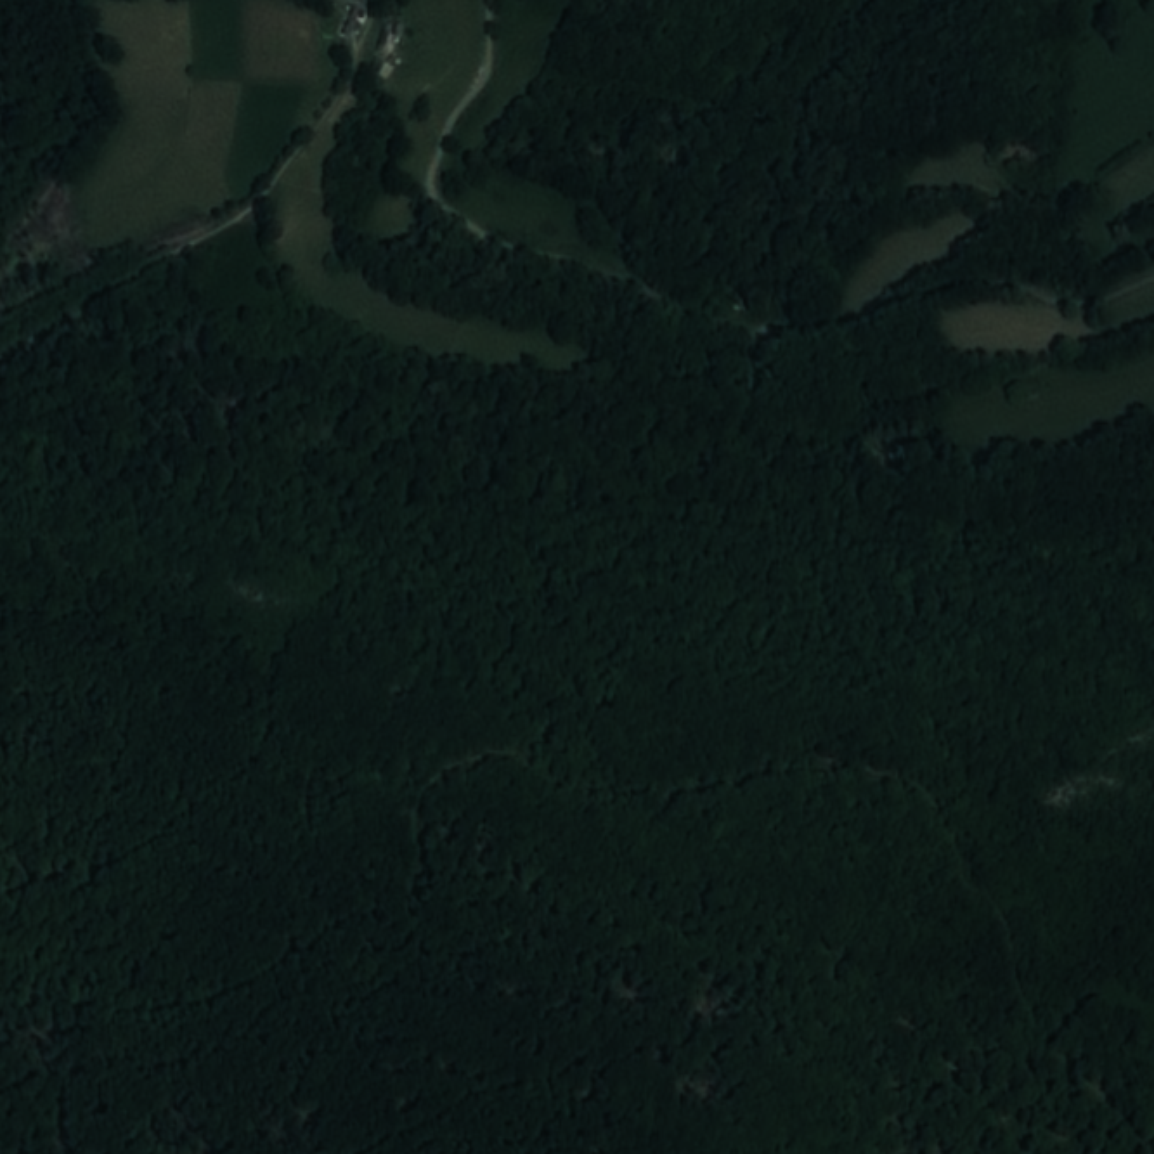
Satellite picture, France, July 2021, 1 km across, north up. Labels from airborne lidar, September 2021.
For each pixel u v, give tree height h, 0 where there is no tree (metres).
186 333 21
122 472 10
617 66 25
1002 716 22
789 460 22
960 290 24
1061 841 8
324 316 18
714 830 23
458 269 18
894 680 21
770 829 17
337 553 20
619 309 15
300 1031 24
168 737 26
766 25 36
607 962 25
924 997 23
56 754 25
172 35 0
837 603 19
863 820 18
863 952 29
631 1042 25
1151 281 0
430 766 14
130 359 11
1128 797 7
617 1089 22
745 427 20
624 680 21
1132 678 19
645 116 25
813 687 19
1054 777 6
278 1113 23
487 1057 24
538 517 20
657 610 14
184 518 14
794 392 36
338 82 14
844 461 25
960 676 18
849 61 34
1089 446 24
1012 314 0
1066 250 32
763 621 23
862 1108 27
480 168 17
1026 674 21
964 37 29
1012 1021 27
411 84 0
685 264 26
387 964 23
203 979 27
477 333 0
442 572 20
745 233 28
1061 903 9
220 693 24
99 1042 30
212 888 27
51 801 22
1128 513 14
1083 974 9
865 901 14
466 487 17
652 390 26
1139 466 19
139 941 28
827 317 25
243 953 27
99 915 26
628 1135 19
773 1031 22
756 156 33
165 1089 27
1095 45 0
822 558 18
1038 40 29
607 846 21
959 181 0
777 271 31
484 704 16
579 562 18
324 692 18
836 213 26
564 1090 17
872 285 0
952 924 18
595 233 13
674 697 25
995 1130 28
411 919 21
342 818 17
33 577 14
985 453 0
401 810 15
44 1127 29
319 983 25
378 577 20
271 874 27
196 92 0
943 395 23
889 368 31
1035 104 39
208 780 25
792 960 24
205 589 10
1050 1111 28
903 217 26
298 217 0
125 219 0
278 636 7
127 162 0
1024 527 25
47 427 24
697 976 27
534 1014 24
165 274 9
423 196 10
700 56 30
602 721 26
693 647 21
